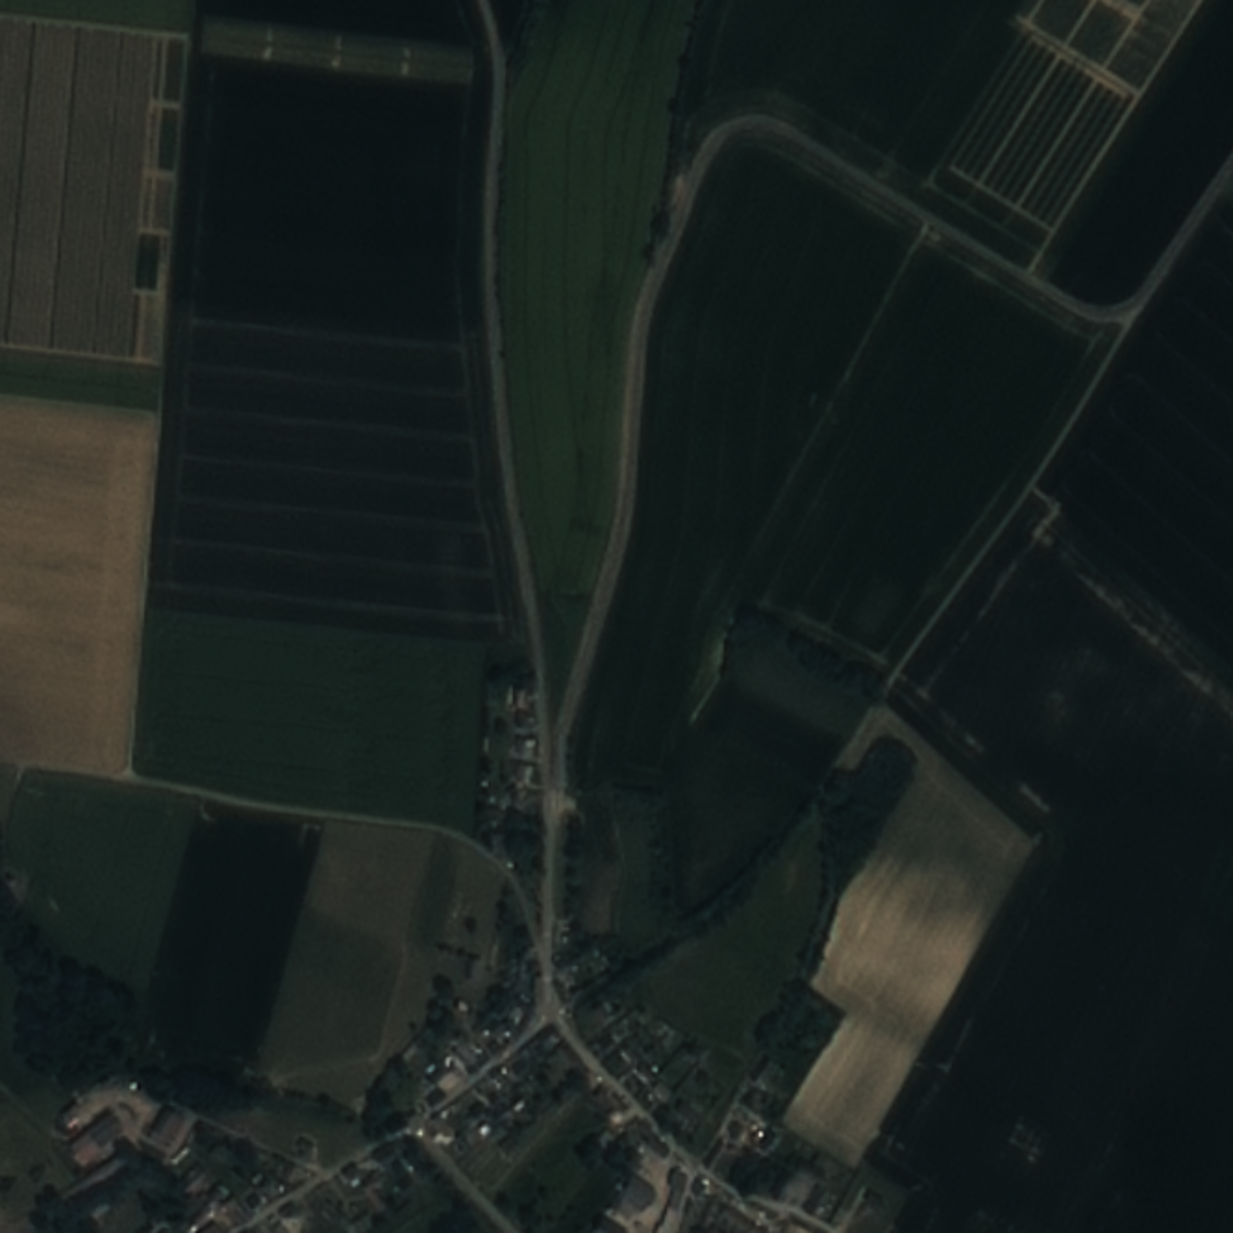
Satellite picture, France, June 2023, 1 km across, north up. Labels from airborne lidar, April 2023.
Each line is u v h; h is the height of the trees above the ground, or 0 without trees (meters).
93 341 0
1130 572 0
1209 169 0
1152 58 0
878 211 0
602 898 0
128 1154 17
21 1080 0
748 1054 0
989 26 0
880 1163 0
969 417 0
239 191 0
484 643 0
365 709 0
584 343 0
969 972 0
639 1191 0
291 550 0
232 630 0
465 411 0
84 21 0
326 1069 0
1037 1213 0
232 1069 0
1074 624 0
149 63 0
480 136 0
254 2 0
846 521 0
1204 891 0
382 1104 18
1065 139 0
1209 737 0
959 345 0
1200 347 0
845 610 0
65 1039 37
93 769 0
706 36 0
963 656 0
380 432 0
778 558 0
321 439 0
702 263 0
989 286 0
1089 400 0
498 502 0
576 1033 0
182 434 0
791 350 0
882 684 13
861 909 0
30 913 0
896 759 14
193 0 0
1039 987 0
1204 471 0
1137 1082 0
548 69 0
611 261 0
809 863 0
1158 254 0
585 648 0
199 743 0
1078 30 0
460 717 0
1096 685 0
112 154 0
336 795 0
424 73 0
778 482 0
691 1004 0
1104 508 0
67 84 0
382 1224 9
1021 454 0
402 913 0
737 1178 7
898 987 0
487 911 0
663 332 0
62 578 0
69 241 0
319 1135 0
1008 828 0
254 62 0
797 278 0
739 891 14
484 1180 0
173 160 0
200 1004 0
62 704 0
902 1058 0
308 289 0
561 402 0
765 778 0
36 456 0
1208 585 0
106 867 0
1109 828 0
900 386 0
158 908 0
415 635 0
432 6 0
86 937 0
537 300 0
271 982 0
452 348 0
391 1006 0
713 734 0
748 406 0
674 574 0
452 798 0
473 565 0
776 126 0
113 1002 22
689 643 0
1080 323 0
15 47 0
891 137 0
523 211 0
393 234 0
